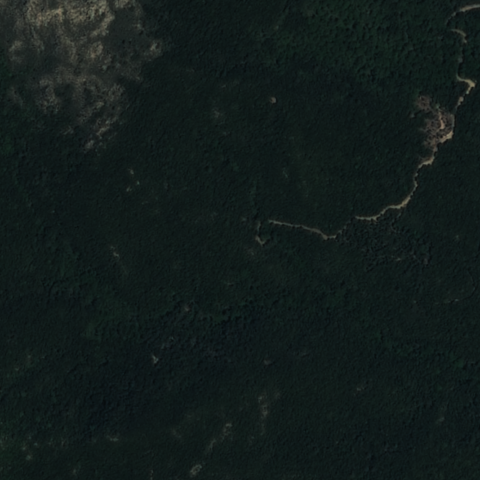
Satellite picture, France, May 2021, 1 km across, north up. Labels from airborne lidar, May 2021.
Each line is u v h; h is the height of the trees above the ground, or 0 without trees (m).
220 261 16
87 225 16
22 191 13
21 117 15
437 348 22
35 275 22
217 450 13
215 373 11
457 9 22
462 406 18
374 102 23
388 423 14
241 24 17
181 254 13
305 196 10
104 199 7
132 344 21
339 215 11
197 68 9
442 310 8
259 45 25
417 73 28
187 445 8
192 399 13
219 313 24
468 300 12
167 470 7
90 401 16
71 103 8
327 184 16
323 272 11
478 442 13
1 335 19
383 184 9
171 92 17
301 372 12
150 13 9
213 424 9
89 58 0
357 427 19
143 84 10
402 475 12
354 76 24
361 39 12
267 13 18
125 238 15
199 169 12
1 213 16
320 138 19
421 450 10
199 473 6
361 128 14
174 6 9
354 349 17
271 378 8
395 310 9
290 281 10
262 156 15
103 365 14
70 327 17
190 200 15
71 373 13
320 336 14
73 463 10
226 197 11
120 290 18
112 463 6
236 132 8
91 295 25
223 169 17
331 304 21
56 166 13
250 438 6
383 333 24
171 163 12
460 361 28
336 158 17
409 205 12
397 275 7
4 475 8
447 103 9
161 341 12
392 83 22
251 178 23
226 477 6
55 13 0
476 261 19
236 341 13
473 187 15
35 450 8
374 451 22
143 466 9
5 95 21
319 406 19
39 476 18
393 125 12
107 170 12
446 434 16
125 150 12
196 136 23
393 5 17
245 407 6
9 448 6
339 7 14
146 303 14
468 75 14
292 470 11
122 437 7
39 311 18
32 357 9
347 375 12
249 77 16
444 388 13
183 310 19
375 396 16
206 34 11
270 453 8
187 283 15
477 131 15
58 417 13
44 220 17
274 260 16
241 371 11
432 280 7
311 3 21
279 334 13
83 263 23
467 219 15
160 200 9
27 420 11
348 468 11
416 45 23
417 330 8
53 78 0
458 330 16
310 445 17
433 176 18
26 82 7
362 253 14
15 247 15
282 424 12
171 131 18
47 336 16
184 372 12
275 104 8
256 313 21
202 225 8
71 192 18
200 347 19
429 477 17
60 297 20
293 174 14
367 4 18
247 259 8
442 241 18
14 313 13
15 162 12
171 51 6
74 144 11
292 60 11
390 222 17
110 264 17
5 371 6
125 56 7
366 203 11
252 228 8
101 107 6
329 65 22
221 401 8
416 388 12
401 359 20
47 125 9
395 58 20
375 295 13
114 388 14
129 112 9
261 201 13
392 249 11
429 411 15
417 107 19
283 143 12
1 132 13
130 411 12
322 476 9
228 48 12
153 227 13
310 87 21
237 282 18
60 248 21
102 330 28
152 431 12
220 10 16
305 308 17
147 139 16
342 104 22
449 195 18
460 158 12
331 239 10
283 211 12
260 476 10
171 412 18
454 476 16
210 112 9
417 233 12
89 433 7
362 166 13
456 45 17
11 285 20
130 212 18
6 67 11
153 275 21
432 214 11
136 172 7
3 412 8
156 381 14
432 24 23
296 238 16
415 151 14
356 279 14
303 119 19
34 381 15
